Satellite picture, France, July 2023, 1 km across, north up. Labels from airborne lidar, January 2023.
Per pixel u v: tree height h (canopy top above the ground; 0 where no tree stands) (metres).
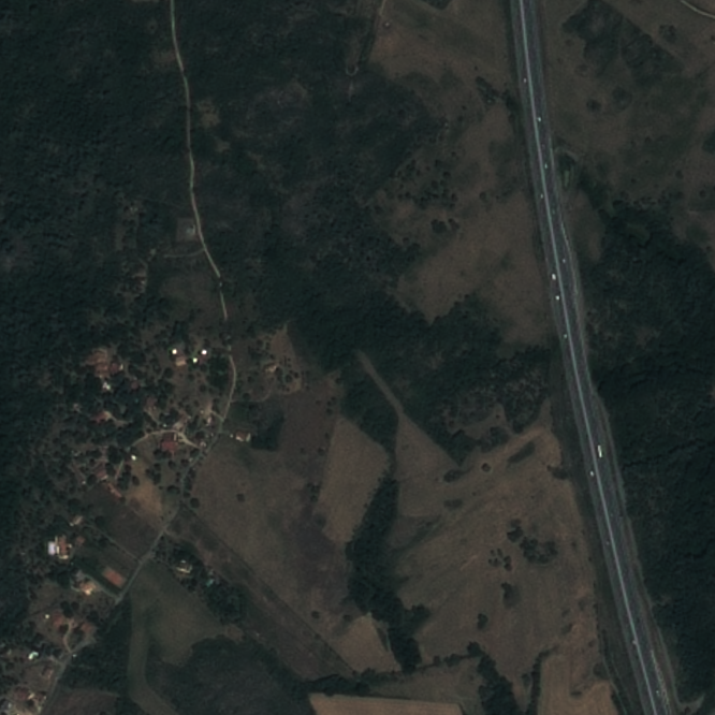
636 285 8
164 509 0
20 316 22
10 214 12
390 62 0
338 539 0
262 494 0
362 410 7
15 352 10
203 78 9
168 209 8
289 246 6
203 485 0
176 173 6
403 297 0
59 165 9
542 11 0
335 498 0
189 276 0
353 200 7
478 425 0
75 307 12
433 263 0
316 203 7
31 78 7
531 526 0
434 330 9
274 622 0
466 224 0
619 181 0
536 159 0
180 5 6
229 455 0
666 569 13
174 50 8
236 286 8
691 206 0
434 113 0
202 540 0
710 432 19
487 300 0
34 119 12
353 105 7
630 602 0
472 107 0
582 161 0
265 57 7
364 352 9
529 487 0
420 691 0
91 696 0
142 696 0
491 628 0
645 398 6
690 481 21
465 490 0
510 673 0
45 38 11
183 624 0
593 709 0
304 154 7
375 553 9
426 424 8
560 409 0
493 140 0
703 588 12
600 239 0
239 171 7
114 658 9
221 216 0
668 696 0
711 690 11
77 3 6
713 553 25
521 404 11
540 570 0
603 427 0
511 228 0
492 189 0
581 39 0
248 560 0
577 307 0
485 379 11
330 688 14
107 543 10
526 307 0
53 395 8
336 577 0
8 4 10
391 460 10
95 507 7
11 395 11
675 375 12
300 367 0
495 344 13
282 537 0
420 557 0
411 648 19
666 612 11
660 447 15
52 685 0
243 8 10
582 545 0
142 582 0
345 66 0
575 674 0
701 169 0
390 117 6
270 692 0
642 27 0
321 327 6
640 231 0
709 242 0
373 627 0
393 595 10
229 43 7
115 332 12
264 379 0
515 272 0
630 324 12
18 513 8
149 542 0
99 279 9
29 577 11
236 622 5
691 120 0
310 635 0
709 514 16
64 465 7
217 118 0
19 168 13
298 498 0
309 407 0
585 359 0
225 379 6
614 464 0
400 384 0
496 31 0
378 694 0
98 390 13
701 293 22
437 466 0
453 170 0
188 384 0
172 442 0
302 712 0
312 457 0
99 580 7
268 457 0
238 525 0
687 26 0
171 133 7
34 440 9
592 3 8
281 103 0
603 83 0
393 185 0
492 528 0
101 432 7
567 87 0
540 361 6
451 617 0
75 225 16
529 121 0
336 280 5
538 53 0
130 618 9
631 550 0
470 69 0
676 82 0
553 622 0
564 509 0
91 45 7
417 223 0
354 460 0
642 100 0
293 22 0
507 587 11
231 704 0
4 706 0
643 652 0
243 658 0
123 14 6
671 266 16
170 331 9
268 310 9
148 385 8
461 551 0
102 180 15
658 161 0
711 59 0
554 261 0
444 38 0
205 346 8
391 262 9
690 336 17
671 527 11
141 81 13
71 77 7
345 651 0
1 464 9
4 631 8
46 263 10
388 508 18
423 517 0
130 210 12
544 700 0
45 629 0
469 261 0
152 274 7
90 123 10
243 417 0
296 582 0
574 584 0
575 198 0
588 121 0
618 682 8
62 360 10
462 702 0
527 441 0
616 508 0
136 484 10
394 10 0
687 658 10
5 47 12
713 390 11
